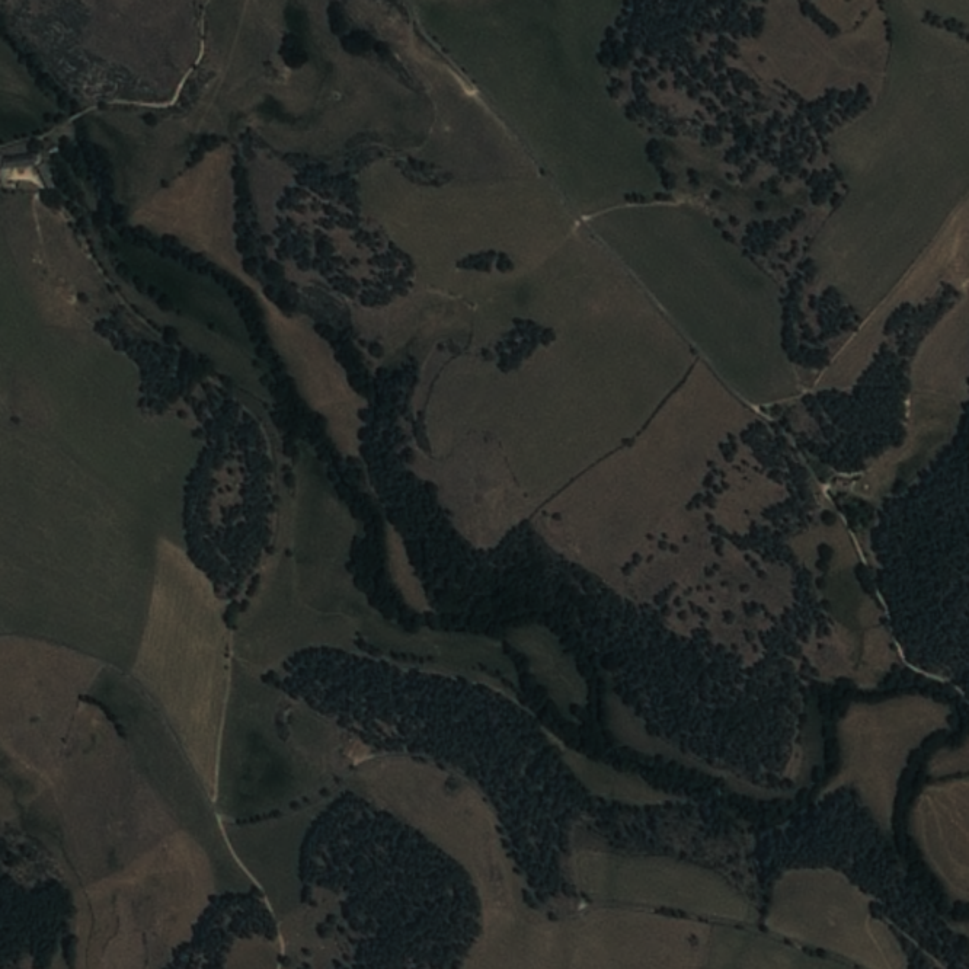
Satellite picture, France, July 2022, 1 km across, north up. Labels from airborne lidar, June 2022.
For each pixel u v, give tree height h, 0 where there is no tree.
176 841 0
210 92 0
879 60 0
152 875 0
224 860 0
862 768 0
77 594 0
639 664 14
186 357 19
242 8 0
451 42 0
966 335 0
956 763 0
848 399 15
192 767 0
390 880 20
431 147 0
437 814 0
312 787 0
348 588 0
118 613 0
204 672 0
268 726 0
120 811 0
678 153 0
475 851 0
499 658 0
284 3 0
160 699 0
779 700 13
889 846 11
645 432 0
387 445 11
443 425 0
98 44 0
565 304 0
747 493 0
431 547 17
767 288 0
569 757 0
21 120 0
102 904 0
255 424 15
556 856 17
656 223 0
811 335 14
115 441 0
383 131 0
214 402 16
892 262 0
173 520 0
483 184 0
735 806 8
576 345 0
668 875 0
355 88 0
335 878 15
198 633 0
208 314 0
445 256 0
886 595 16
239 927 20
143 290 13
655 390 0
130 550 0
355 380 17
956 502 18
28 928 19
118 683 0
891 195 0
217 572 15
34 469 0
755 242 11
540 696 20
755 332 0
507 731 21
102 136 0
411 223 0
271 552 10
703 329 0
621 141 0
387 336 0
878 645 0
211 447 13
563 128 0
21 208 0
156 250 6
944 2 0
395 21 0
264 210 0
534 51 0
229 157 0
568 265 0
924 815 0
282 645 0
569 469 0
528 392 0
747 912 0
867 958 0
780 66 0
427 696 15
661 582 0
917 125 0
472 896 19
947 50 0
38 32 0
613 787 0
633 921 0
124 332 20
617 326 0
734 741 15
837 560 0
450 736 21
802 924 0
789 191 0
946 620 16
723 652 14
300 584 0
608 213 0
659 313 0
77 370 0
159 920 0
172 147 0
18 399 0
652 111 10
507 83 0
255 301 9
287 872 0
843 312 13
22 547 0
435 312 0
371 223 0
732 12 17
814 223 0
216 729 0
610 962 0
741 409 0
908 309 15
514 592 16
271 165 0
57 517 0
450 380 0
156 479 0
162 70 0
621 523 0
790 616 13
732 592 0
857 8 0
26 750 0
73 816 0
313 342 0
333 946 0
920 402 0
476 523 0
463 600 10
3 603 0
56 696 0
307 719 0
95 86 0
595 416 0
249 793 0
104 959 0
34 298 0
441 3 0
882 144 0
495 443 0
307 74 0
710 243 0
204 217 0
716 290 0
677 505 0
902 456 0
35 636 0
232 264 0
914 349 0
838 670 0
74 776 0
